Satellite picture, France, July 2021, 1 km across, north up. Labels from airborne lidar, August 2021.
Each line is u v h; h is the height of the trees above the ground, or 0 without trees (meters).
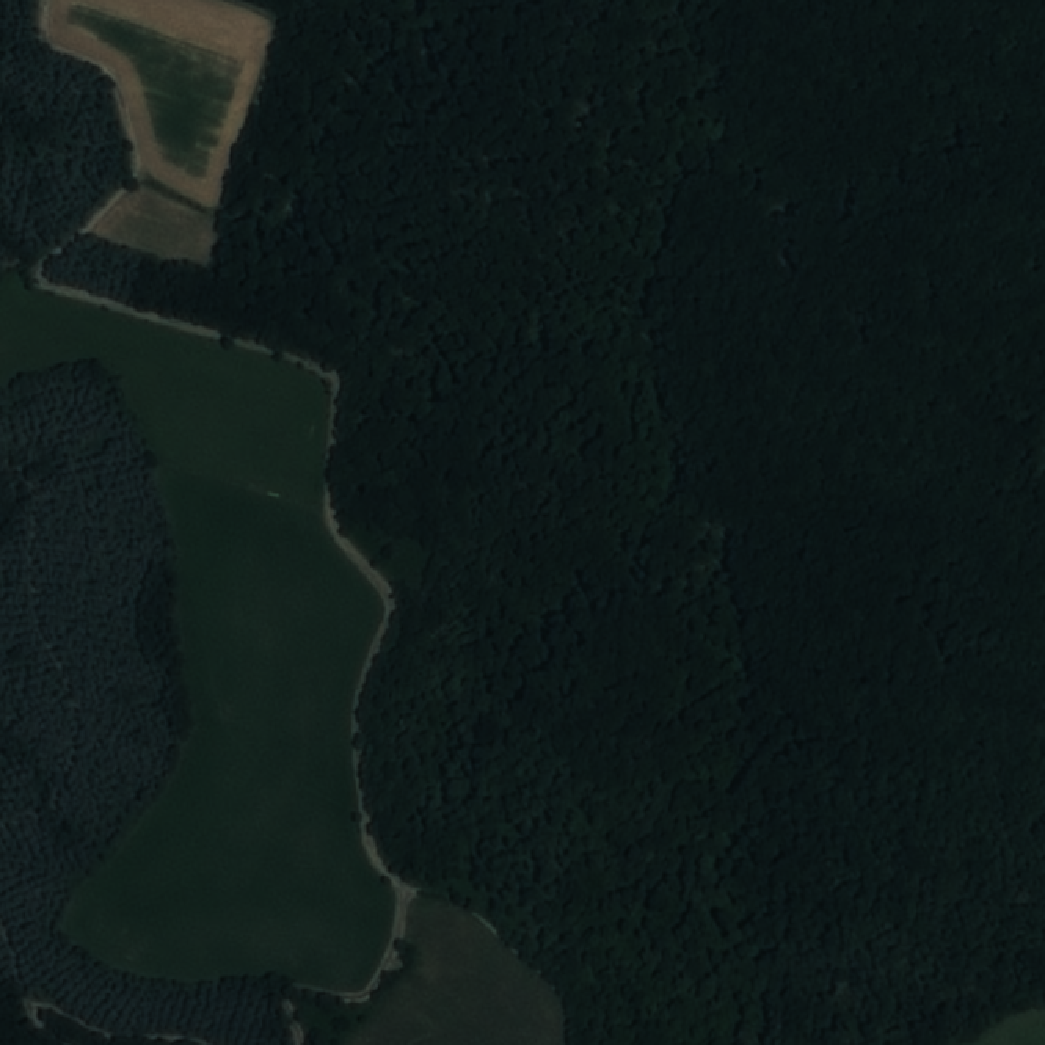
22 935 20
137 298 14
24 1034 17
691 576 27
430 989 0
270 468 0
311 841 0
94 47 0
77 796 18
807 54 27
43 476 20
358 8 35
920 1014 24
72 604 18
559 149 31
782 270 28
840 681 27
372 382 23
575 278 27
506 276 30
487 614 27
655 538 30
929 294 26
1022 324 24
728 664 10
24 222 19
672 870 32
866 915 15
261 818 0
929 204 30
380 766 21
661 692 27
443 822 26
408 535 11
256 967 0
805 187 33
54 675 18
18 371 0
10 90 16
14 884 15
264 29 0
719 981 25
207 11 0
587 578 35
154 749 16
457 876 20
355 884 0
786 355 25
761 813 21
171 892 0
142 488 14
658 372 21
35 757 18
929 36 26
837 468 26
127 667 18
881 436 24
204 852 0
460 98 29
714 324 25
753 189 36
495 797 20
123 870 0
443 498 25
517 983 0
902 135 25
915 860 24
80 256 18
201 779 0
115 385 11
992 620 24
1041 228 25
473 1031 0
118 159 18
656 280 12
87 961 18
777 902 25
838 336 27
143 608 17
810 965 20
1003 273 27
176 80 0
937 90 25
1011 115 23
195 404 0
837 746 22
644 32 38
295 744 0
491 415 25
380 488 30
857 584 32
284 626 0
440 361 23
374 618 0
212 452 0
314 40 28
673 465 9
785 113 24
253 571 0
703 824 29
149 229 0
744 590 30
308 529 0
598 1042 12
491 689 10
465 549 14
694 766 27
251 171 20
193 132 0
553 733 20
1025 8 24
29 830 16
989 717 19
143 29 0
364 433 24
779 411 23
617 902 22
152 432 0
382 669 12
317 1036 11
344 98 39
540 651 29
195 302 15
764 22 26
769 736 25
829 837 22
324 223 31
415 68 37
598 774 24
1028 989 15
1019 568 23
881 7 30
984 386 11
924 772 21
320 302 27
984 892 20
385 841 16
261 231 28
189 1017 17
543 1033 0
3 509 20
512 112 31
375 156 32
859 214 33
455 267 26
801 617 30
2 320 0
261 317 19
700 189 26
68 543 15
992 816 20
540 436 22
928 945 18
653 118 30
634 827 26
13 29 13
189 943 0
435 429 35
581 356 34
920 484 23
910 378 23
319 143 32
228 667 0
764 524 33
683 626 26
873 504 31
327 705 0
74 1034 18
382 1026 0
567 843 21
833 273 26
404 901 0
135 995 15
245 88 0
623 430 35
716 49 28
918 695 26
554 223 23
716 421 26
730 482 28
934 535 30
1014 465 20
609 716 20
